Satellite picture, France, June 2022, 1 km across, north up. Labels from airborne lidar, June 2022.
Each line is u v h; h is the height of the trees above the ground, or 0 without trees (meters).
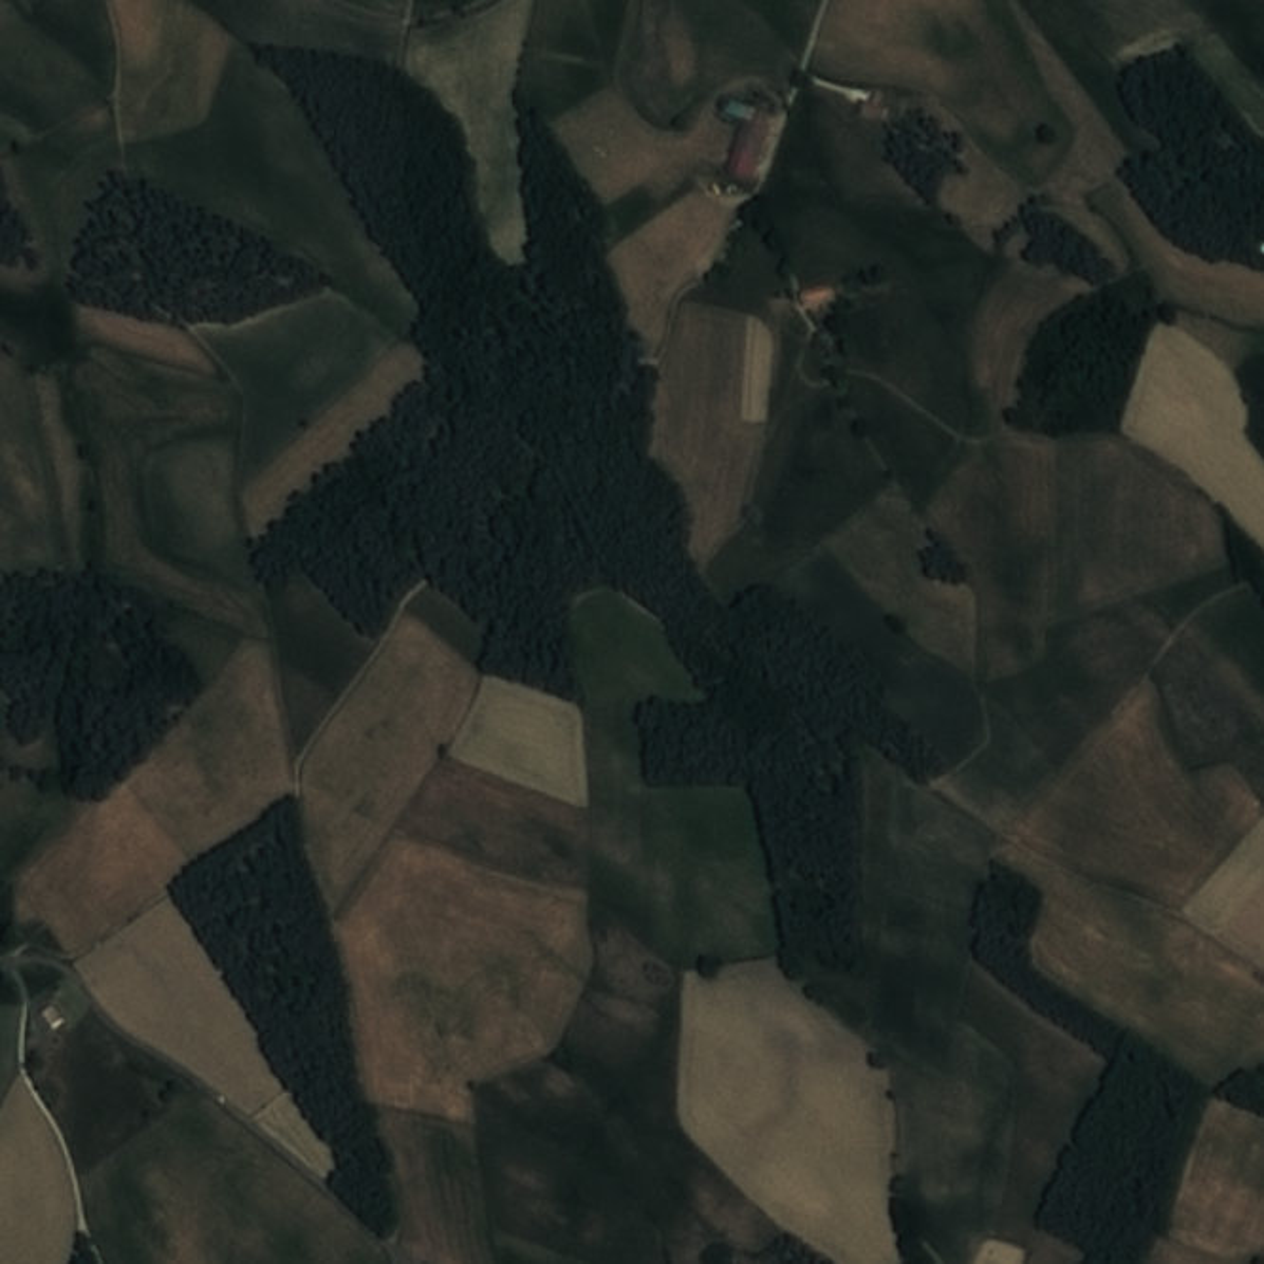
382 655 0
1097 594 0
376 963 0
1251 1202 0
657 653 0
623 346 21
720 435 0
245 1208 0
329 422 0
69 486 0
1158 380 0
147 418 0
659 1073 0
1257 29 0
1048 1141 0
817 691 19
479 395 24
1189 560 0
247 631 0
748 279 0
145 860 0
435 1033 0
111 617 13
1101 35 0
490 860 0
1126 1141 24
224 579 0
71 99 0
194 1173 0
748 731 18
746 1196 0
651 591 21
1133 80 25
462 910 0
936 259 0
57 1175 0
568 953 0
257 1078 0
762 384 0
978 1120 0
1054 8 0
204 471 0
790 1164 0
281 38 0
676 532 17
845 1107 0
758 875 0
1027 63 0
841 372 18
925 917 0
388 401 0
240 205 0
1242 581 9
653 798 0
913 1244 20
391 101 20
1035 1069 0
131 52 0
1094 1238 20
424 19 7
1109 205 0
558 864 0
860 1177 0
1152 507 0
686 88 0
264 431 0
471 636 0
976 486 0
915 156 19
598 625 0
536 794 0
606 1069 0
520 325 20
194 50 0
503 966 0
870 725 19
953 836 0
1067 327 11
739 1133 0
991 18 0
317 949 19
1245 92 0
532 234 13
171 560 0
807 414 0
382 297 0
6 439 0
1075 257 22
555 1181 0
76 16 0
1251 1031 0
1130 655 0
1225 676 0
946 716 0
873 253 0
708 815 0
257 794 0
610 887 0
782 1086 0
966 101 0
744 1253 0
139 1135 0
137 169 0
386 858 0
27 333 0
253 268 18
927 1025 0
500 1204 0
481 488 21
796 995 0
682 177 0
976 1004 0
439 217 24
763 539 0
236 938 20
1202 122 18
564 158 11
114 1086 0
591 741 0
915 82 0
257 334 0
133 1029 0
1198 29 0
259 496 0
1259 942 0
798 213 0
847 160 0
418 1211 0
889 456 0
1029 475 0
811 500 0
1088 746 0
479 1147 0
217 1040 0
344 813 0
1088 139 0
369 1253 0
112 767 21
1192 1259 0
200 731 0
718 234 0
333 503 19
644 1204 0
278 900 23
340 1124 17
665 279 0
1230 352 0
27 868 0
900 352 0
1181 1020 0
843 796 20
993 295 0
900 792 0
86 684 13
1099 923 0
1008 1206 0
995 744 0
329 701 0
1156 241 0
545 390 27
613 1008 0
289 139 0
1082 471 0
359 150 20
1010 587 0
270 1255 0
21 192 0
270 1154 0
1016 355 0
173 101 0
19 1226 0
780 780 24
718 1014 0
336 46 0
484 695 0
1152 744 0
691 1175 0
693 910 0
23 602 18
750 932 0
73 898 0
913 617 0
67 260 0
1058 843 0
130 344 0
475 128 0
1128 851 0
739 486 0
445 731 0
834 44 0
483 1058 0
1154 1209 13
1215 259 17
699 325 0
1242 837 0
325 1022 17
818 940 24
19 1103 0
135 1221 0
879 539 0
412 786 0
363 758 0
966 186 0
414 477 21
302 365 0
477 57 0
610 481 23
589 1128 0
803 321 0
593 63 0
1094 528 0
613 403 21
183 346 0
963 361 0
